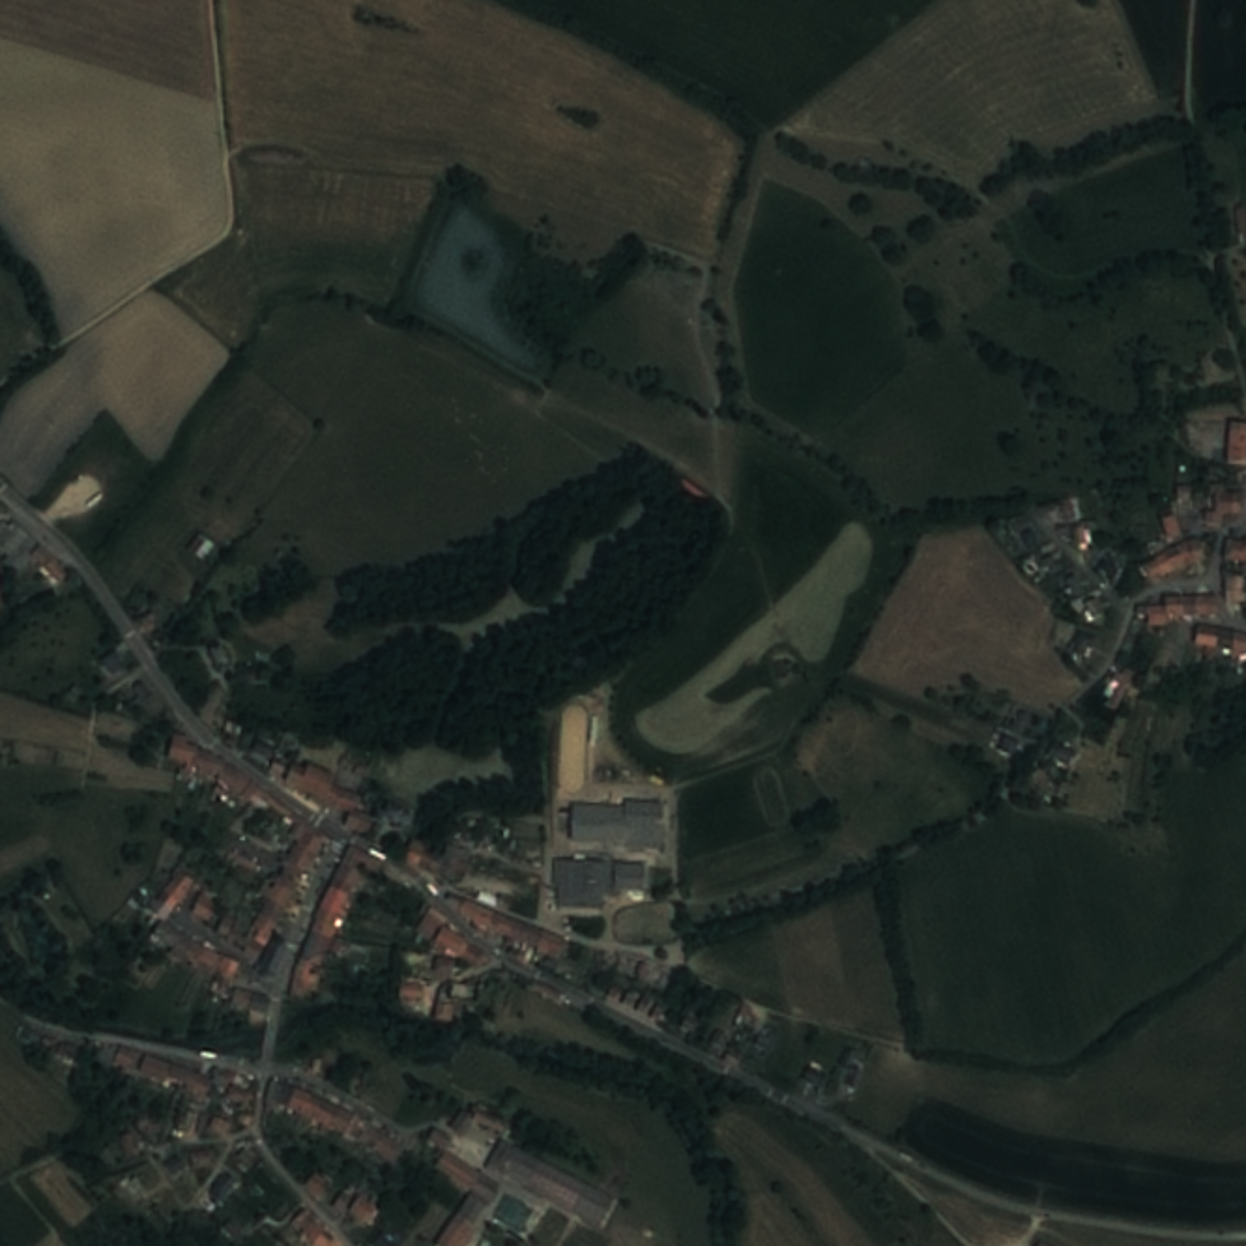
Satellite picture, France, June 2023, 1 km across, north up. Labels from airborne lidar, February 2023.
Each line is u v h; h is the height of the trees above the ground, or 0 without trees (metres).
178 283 0
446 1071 0
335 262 0
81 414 0
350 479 0
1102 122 0
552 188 0
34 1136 0
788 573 0
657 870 0
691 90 7
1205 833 0
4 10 0
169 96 0
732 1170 16
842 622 0
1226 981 0
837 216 0
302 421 0
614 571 26
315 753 0
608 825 0
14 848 0
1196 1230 0
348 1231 0
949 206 15
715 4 0
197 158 0
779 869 0
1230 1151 0
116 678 0
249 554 0
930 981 0
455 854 0
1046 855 0
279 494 0
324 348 0
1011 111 0
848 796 0
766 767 0
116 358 0
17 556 0
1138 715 0
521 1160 0
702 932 15
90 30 0
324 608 0
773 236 0
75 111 0
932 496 0
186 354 0
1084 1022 0
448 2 0
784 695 0
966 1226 0
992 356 16
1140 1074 0
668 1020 7
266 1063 0
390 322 7
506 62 0
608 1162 0
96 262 0
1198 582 0
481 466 0
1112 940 0
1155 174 0
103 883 0
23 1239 0
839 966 0
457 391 0
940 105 0
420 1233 0
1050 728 7
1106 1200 0
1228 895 0
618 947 0
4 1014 0
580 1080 12
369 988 6
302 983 0
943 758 0
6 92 0
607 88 0
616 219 0
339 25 0
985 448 0
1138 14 0
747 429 0
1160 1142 0
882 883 8
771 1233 0
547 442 0
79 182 0
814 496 0
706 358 0
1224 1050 0
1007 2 0
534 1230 0
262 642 0
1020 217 0
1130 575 6
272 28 0
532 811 8
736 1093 11
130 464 0
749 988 0
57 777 0
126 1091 16
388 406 0
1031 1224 0
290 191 0
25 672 0
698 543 25
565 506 22
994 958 0
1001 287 0
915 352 0
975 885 0
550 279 6
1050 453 0
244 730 9
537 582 22
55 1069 0
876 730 0
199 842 17
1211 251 10
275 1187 0
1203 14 0
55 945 12
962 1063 6
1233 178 0
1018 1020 0
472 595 21
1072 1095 0
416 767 0
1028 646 0
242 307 0
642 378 10
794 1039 0
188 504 0
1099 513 0
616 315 0
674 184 0
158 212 0
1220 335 0
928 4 0
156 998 0
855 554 0
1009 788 7
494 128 0
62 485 0
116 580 0
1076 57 0
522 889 0
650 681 0
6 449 0
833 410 0
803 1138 0
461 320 0
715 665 0
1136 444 0
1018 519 0
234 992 0
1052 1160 0
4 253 11
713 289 0
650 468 21
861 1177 6
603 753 0
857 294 0
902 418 0
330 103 0
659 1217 0
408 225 0
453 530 0
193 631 16
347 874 0
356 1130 0
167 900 0
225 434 0
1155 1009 6
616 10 0
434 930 0
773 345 0
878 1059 0
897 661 0
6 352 0
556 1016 0
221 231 0
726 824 0
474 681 26
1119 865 0
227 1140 0
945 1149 0
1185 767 0
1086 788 0
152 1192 0
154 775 0
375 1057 0
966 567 0
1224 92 0
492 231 0
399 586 23
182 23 0
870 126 0
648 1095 12
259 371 0
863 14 0
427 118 0
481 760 0
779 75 0
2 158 0
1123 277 20
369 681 26
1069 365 0
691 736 0
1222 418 0
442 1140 0
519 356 0
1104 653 0
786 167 0
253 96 0
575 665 33
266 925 0
